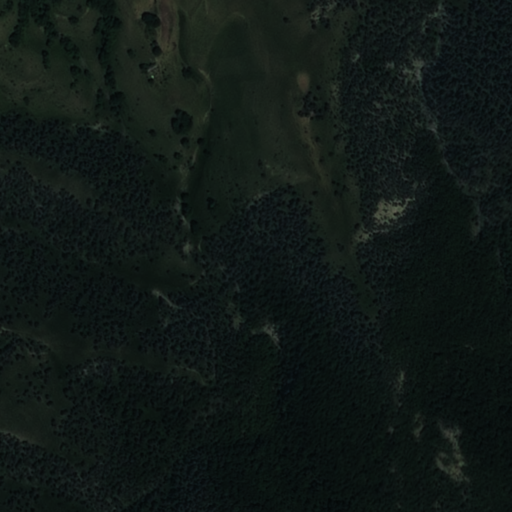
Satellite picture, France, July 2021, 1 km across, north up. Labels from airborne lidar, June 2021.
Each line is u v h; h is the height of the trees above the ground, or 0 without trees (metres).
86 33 0
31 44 0
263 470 21
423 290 15
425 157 15
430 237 17
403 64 9
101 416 8
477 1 18
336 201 0
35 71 0
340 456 22
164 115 0
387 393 13
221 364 8
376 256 8
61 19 0
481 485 13
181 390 12
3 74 0
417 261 13
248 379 18
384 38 15
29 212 8
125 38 0
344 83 7
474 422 10
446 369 15
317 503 20
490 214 8
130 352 0
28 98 8
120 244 20
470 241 20
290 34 0
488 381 19
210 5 0
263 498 25
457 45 6
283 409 17
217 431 18
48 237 8
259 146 0
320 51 0
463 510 16
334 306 9
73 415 9
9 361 11
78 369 11
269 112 0
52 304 10
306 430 12
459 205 19
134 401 7
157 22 19
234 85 0
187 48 0
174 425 17
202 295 12
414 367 15
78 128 8
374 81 11
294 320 17
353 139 10
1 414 0
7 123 11
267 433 12
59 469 17
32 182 10
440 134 13
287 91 0
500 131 12
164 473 9
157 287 0
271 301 12
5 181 7
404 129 9
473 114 11
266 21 0
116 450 9
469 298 20
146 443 14
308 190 0
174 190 0
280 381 13
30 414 0
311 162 0
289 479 15
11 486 0
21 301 10
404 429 9
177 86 0
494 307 21
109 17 21
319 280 13
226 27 0
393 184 9
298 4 0
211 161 0
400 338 18
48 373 13
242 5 0
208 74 0
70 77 0
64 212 10
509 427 20
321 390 17
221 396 10
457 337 13
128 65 0
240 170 0
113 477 13
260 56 0
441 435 12
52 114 0
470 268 18
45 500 0
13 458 19
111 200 11
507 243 18
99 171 12
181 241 6
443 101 14
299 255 16
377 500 22
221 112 0
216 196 0
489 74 13
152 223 8
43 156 9
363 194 10
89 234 6
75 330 12
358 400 18
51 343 0
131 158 16
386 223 7
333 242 0
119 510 10
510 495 15
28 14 16
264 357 23
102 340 8
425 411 15
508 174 6
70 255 11
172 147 0
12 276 7
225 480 20
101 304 9
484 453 16
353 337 17
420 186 13
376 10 11
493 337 15
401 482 9
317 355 18
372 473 17
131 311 7
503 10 13
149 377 16
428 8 7
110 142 9
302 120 0
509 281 20
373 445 16
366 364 15
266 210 11
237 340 13
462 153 10
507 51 11
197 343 10
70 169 10
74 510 0
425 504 17
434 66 7
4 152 0
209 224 0
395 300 16
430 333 16
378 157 15
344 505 20
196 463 14
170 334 10
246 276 6
